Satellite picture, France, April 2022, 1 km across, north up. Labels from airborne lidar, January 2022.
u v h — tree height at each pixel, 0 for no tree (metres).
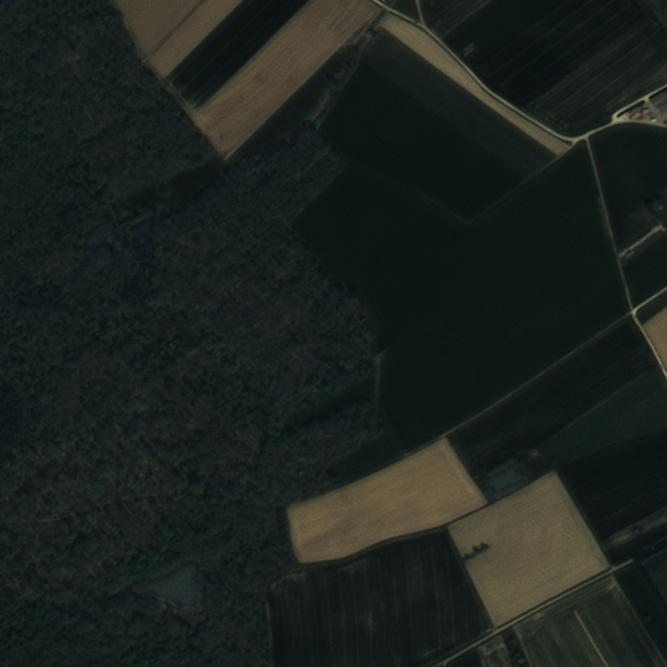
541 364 0
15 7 30
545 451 0
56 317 24
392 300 0
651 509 0
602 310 0
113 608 25
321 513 0
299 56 0
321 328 29
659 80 0
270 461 28
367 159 0
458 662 0
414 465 0
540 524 0
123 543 31
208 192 14
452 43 0
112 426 31
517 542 0
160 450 30
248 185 25
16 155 26
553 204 0
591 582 0
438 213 0
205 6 0
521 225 0
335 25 0
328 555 0
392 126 0
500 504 0
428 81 0
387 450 0
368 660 0
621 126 0
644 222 0
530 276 0
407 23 0
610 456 0
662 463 0
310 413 0
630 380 0
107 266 18
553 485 0
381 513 0
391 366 0
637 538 0
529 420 0
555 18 0
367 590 0
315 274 28
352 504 0
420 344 0
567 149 0
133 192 20
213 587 29
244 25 0
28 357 14
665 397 0
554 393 0
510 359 0
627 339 0
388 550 0
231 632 19
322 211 0
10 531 27
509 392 0
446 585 0
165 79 0
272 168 25
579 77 0
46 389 25
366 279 0
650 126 0
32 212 20
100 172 27
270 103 0
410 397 0
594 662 0
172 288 29
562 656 0
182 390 28
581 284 0
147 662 29
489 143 0
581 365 0
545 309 0
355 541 0
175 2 0
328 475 19
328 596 0
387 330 0
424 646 0
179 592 0
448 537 0
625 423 0
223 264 27
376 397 0
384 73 0
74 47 29
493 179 0
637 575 0
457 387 0
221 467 26
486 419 0
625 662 0
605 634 0
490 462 0
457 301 0
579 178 0
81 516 31
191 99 0
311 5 0
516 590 0
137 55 22
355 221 0
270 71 0
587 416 0
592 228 0
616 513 0
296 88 0
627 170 0
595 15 0
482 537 0
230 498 22
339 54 0
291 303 30
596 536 0
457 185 0
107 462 35
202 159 20
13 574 33
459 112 0
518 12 0
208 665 21
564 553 0
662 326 0
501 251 0
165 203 0
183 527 24
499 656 0
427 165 0
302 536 0
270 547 31
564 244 0
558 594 0
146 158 28
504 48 0
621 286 0
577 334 0
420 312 0
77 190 24
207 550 24
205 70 0
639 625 0
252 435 23
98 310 27
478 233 0
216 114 23
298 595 0
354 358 25
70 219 26
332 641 0
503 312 0
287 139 0
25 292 26
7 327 22
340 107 0
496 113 0
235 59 0
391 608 0
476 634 0
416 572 0
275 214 26
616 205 0
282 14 0
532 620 0
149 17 0
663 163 0
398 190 0
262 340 34
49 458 21
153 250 28
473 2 0
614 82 0
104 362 23
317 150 23
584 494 0
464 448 0
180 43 0
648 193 0
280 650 0
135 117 31
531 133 0
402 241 0
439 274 0
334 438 20
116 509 26
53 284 22
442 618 0
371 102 0
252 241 28
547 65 0
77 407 24
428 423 0
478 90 0
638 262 0
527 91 0
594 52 0
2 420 30
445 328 0
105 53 19
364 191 0
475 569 0
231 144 0
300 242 20
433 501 0
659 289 0
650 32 0
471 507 0
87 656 9
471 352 0
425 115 0
